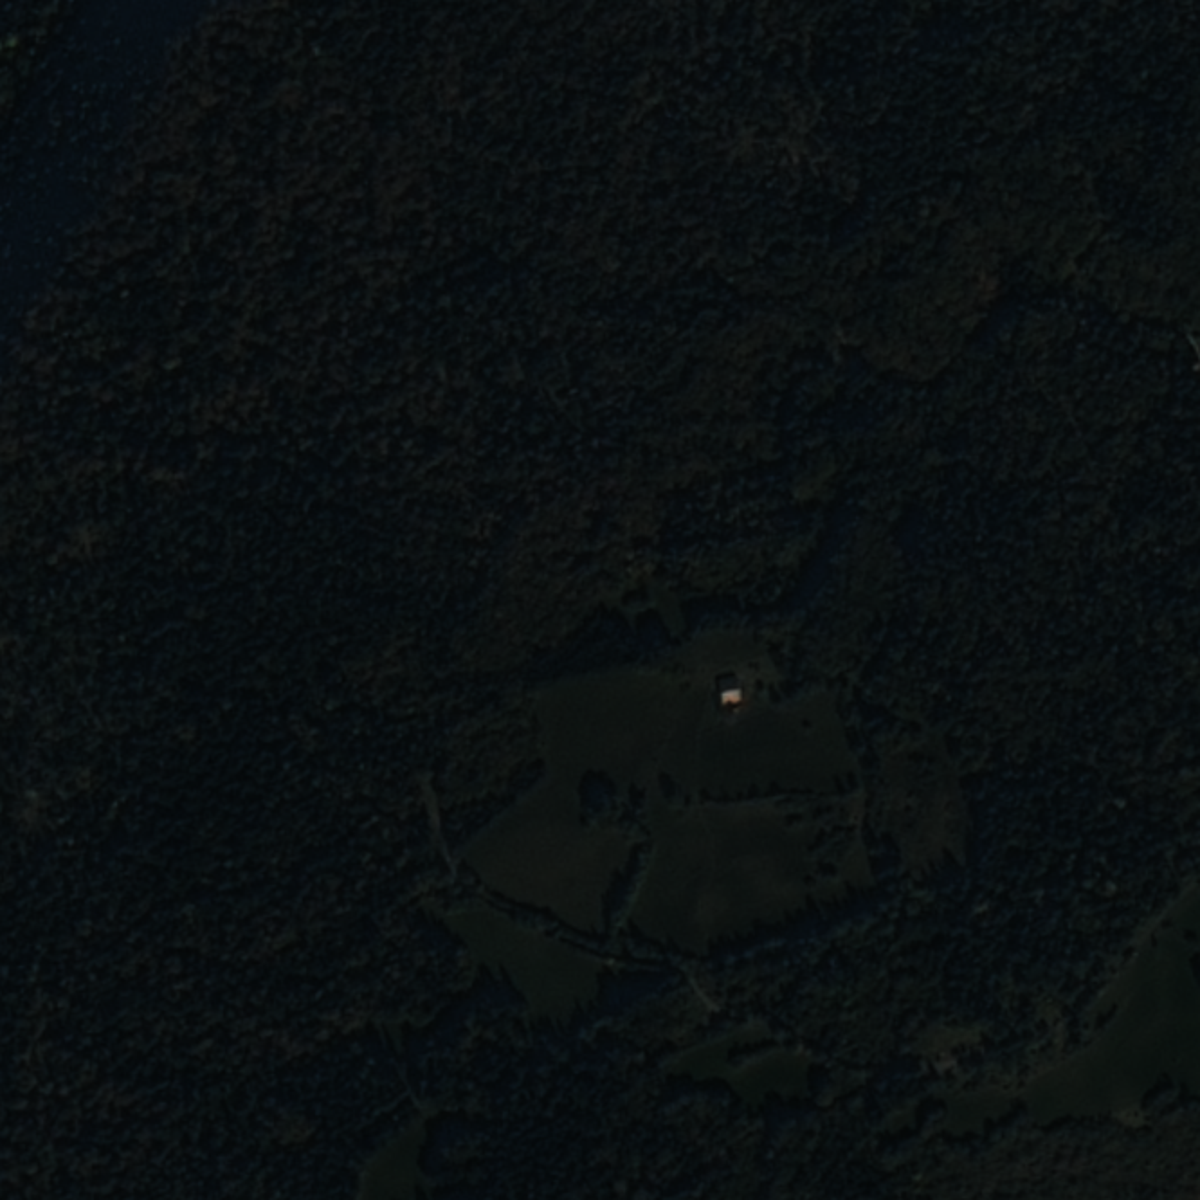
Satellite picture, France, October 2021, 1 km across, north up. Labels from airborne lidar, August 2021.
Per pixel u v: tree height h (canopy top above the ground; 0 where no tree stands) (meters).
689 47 21
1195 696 17
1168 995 0
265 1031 20
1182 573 17
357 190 21
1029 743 15
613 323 21
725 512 23
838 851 6
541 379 27
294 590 22
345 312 21
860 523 21
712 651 0
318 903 20
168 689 21
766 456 15
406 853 16
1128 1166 7
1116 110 24
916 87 28
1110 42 24
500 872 0
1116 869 24
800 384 23
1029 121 11
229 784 32
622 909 15
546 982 0
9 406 17
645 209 20
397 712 16
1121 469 19
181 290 19
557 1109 9
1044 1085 0
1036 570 17
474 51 20
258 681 28
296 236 19
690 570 21
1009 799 27
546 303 20
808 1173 6
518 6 20
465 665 23
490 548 17
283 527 20
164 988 23
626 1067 13
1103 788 6
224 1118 7
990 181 17
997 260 18
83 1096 13
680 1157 21
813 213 12
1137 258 19
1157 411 17
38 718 7
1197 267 14
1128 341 15
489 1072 25
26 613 16
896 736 12
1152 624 19
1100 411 15
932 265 21
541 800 0
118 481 8
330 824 26
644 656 17
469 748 20
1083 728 18
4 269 23
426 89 18
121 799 14
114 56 24
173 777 30
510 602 19
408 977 23
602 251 19
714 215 20
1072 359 20
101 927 24
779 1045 7
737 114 22
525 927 14
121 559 21
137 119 17
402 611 20
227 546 20
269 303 20
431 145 23
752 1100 0
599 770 0
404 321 22
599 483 20
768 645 6
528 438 13
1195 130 21
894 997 7
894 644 17
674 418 20
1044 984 19
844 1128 16
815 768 0
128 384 21
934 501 10
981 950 23
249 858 21
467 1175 19
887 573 20
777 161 26
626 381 20
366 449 25
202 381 15
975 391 17
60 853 10
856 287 14
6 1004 11
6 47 15
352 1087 23
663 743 0
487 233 27
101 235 16
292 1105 24
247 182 17
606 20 21
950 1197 9
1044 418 22
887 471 25
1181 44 22
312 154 23
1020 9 22
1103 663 21
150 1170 22
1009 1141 9
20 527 9
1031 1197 13
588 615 22
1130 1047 0
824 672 17
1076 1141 14
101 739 8
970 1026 11
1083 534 16
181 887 21
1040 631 26
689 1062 0
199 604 28
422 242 22
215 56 21
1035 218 17
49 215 21
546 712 0
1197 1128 9
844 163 29
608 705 0
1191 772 23
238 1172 24
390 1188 0
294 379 21
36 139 26
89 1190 21
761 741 0
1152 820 15
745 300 6
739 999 6
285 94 20
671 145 19
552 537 21
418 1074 12
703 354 23
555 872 0
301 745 21
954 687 16
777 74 20
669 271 28
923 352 16
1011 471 16
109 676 24
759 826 0
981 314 16
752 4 21
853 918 14
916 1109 0
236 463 27
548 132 19
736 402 23
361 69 27
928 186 19
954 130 32
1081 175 14
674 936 0
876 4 12
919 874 0
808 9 24
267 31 18
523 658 24
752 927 0
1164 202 20
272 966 17
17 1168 28
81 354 14
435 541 12
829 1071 16
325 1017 24
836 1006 9
